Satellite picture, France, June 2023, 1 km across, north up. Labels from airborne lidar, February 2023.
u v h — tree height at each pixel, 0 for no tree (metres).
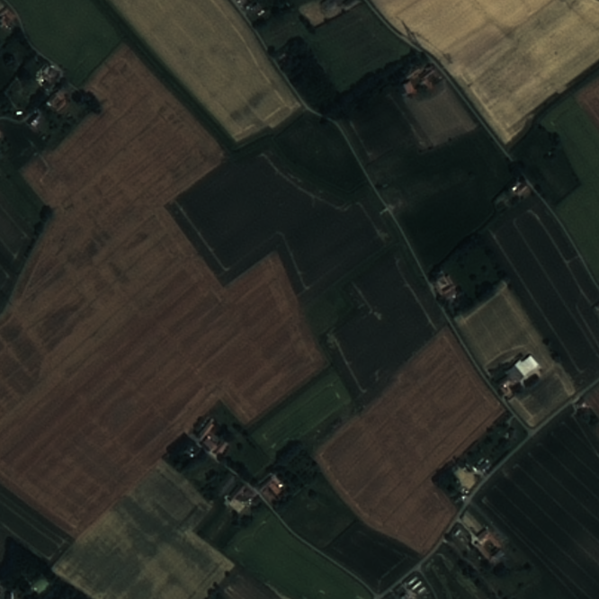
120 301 0
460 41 0
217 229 0
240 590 0
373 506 0
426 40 0
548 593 0
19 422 0
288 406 0
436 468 0
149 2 0
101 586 0
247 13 0
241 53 0
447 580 0
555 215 0
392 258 0
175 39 0
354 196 0
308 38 0
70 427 0
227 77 0
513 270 0
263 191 0
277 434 0
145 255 0
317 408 0
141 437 0
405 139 0
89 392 0
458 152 0
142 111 0
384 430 0
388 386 0
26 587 11
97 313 0
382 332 0
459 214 0
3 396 0
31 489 0
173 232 0
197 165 0
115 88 0
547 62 0
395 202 0
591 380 0
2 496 0
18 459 0
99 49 0
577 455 0
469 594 0
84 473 0
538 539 0
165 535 0
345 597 0
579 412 13
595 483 0
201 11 0
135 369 0
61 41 0
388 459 0
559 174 0
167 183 0
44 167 0
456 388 0
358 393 0
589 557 0
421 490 0
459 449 0
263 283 0
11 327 0
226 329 0
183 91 0
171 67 0
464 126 0
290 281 0
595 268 0
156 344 0
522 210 0
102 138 0
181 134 0
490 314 0
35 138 0
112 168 0
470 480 0
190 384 0
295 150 0
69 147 0
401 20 0
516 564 0
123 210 0
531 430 0
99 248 0
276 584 0
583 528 0
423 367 0
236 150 0
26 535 0
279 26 0
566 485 0
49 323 0
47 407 0
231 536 0
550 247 0
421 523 0
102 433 0
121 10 0
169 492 0
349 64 0
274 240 0
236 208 0
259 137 0
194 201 0
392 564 0
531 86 0
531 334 0
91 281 0
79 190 0
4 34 0
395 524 0
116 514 0
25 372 0
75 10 0
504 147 0
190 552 0
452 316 9
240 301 0
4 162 0
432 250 0
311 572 0
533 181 0
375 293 0
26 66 7
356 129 0
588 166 0
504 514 0
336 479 0
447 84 0
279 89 0
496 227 0
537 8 0
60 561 0
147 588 0
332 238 0
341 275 0
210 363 0
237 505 0
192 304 0
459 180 0
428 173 0
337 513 0
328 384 0
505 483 0
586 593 0
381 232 0
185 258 0
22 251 0
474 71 0
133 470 0
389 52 0
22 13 0
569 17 0
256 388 0
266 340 0
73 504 0
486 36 0
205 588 0
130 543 0
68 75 0
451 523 0
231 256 0
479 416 0
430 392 0
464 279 0
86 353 0
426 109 0
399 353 0
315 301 0
